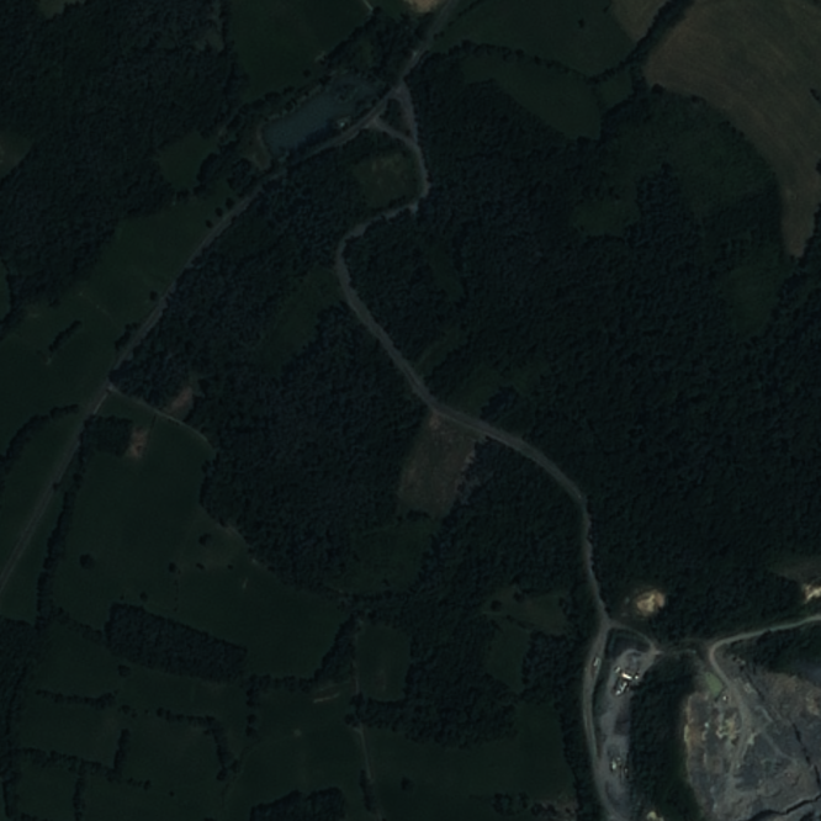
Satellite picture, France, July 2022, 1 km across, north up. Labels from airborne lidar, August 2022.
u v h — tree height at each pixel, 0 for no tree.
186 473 0
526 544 13
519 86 0
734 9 0
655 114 20
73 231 7
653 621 9
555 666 11
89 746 0
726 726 0
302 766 0
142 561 0
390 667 0
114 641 16
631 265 14
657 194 16
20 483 0
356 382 23
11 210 16
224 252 7
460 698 23
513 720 8
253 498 22
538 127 11
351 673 15
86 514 0
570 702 16
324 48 0
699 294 17
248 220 7
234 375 17
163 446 0
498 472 24
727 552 29
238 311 25
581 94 0
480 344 12
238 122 21
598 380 23
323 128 0
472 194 17
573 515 18
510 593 0
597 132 0
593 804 10
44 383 0
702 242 19
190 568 0
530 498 21
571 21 0
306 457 12
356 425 28
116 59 21
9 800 12
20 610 0
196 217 0
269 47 0
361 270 19
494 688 16
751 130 0
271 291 16
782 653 10
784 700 0
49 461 0
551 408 9
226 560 0
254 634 0
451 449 0
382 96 14
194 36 17
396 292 23
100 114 20
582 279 18
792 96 0
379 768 0
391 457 15
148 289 0
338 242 15
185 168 0
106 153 21
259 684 11
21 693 12
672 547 26
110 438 15
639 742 7
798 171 0
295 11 0
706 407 21
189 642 20
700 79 0
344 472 14
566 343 20
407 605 14
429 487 0
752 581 16
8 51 14
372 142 6
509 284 18
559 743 0
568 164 17
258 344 24
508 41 0
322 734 0
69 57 13
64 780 0
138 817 0
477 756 0
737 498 19
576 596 25
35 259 20
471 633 18
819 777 0
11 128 10
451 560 27
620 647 0
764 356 11
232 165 11
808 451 23
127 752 13
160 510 0
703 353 15
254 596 0
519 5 0
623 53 0
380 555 0
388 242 19
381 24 17
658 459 20
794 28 0
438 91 16
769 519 20
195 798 0
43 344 0
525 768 0
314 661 0
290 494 19
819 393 22
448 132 11
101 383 0
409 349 20
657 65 0
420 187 0
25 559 0
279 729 0
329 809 18
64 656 0
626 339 26
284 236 12
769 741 0
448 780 0
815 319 20
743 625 9
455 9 0
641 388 23
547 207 20
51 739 0
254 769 0
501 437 0
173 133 14
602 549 22
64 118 13
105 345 0
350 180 17
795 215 0
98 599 0
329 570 20
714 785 0
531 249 24
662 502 23
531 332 12
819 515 19
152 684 0
